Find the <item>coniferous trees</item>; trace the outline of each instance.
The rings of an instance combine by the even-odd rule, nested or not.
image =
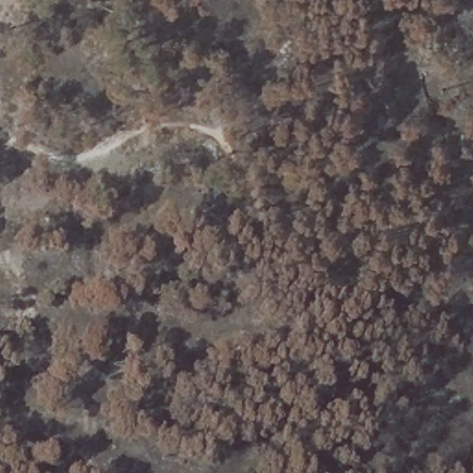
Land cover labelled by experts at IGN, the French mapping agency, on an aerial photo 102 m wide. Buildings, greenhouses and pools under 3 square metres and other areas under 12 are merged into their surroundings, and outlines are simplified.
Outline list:
[[[70,185],[61,187],[55,183],[50,198],[55,216],[50,220],[50,224],[37,225],[33,229],[30,242],[24,249],[31,261],[41,264],[63,261],[67,259],[68,253],[74,253],[78,248],[94,249],[98,253],[94,275],[91,279],[85,279],[81,285],[76,283],[72,286],[72,294],[65,301],[67,334],[59,334],[57,338],[52,338],[48,318],[42,316],[35,316],[31,320],[30,331],[24,333],[0,327],[0,473],[473,473],[473,447],[469,447],[466,455],[455,456],[451,460],[429,460],[429,456],[438,453],[440,445],[449,438],[451,421],[458,414],[464,414],[471,408],[467,399],[451,403],[455,390],[449,390],[447,382],[453,381],[458,373],[462,373],[471,364],[471,353],[458,351],[458,346],[471,344],[473,338],[473,305],[467,299],[467,292],[455,292],[453,288],[458,283],[460,273],[466,268],[467,257],[473,244],[473,211],[462,209],[455,188],[462,183],[469,183],[473,176],[473,0],[116,0],[111,9],[113,13],[103,18],[103,24],[98,28],[94,28],[103,41],[109,44],[111,61],[115,63],[115,72],[107,83],[107,98],[118,105],[124,103],[127,118],[133,122],[140,122],[159,118],[166,113],[170,105],[174,109],[190,107],[194,105],[194,100],[198,96],[205,105],[211,105],[212,109],[220,111],[222,129],[225,139],[231,144],[231,152],[225,153],[224,150],[220,150],[218,155],[211,155],[205,146],[196,148],[185,140],[179,142],[176,148],[163,153],[163,164],[170,168],[168,177],[153,177],[150,172],[116,176],[102,170],[103,185],[107,188],[105,205],[100,198],[87,192],[76,190]]]

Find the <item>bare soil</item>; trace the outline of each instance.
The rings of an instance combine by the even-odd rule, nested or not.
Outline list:
[[[473,211],[473,176],[469,183],[462,183],[455,188],[462,209]]]
[[[212,109],[211,105],[205,105],[198,96],[194,100],[194,105],[190,107],[174,109],[170,105],[166,113],[159,118],[140,122],[133,122],[127,118],[124,103],[118,105],[107,98],[107,83],[115,72],[115,63],[111,61],[109,44],[103,41],[94,28],[98,28],[103,24],[103,18],[113,13],[111,9],[116,0],[0,0],[0,327],[24,333],[30,331],[31,320],[35,316],[42,316],[48,318],[52,338],[57,338],[59,334],[67,334],[65,301],[72,294],[72,286],[76,283],[81,285],[85,279],[91,279],[94,275],[98,253],[94,249],[78,248],[74,253],[68,253],[67,259],[63,261],[41,264],[31,261],[24,249],[30,242],[33,229],[37,225],[50,224],[50,220],[55,216],[50,198],[55,183],[61,187],[70,185],[76,190],[87,192],[100,198],[105,205],[107,188],[103,185],[102,170],[116,176],[150,172],[153,177],[168,177],[170,168],[163,164],[163,153],[176,148],[179,142],[185,140],[196,148],[205,146],[211,155],[218,155],[220,150],[224,150],[225,153],[231,152],[231,144],[225,139],[222,129],[220,111]]]
[[[473,305],[473,244],[467,257],[466,268],[460,273],[458,283],[453,288],[455,292],[467,292],[467,299]]]
[[[455,390],[451,403],[467,399],[471,408],[464,414],[458,414],[451,421],[449,438],[440,445],[438,453],[429,456],[429,460],[451,460],[455,456],[466,455],[469,447],[473,447],[473,338],[471,344],[458,346],[458,351],[471,353],[471,364],[462,373],[458,373],[453,381],[447,382],[449,390]]]

